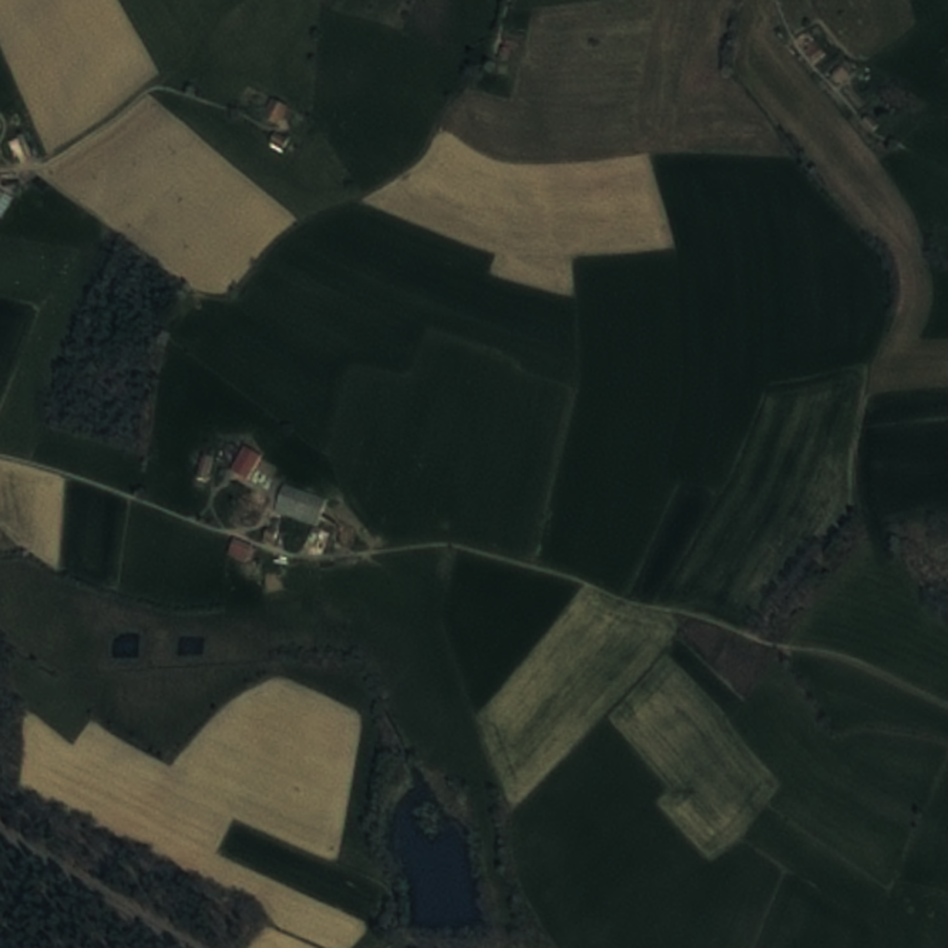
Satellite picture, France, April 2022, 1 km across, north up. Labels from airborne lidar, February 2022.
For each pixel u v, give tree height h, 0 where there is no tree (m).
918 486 0
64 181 0
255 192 0
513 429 0
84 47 0
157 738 0
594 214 0
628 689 0
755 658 0
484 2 0
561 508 0
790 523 0
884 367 0
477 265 0
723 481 0
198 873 0
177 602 0
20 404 0
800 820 0
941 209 0
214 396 0
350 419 0
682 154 0
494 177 0
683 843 0
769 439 0
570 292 0
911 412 0
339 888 0
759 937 0
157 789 0
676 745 0
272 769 0
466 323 0
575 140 0
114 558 0
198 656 0
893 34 0
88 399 12
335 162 0
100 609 0
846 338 0
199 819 0
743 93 0
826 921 0
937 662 0
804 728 0
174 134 0
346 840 0
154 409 9
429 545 0
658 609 0
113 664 0
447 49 0
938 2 0
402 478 0
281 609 0
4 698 25
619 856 0
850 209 0
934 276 0
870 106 0
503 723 0
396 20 0
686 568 0
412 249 0
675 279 0
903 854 0
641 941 0
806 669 0
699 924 0
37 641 0
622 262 0
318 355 0
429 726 0
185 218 0
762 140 0
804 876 0
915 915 0
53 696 0
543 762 0
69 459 0
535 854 0
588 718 0
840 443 0
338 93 0
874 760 0
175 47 0
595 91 0
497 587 0
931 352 0
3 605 0
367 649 0
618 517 0
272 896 0
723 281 0
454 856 0
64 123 0
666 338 0
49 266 0
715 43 0
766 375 0
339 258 0
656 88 0
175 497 0
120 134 0
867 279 0
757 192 0
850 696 0
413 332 0
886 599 0
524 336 0
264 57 0
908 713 0
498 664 0
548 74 0
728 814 0
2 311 0
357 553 0
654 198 0
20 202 0
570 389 0
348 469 0
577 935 0
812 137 0
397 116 0
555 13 0
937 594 9
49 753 0
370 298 0
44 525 0
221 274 0
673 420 0
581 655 0
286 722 0
